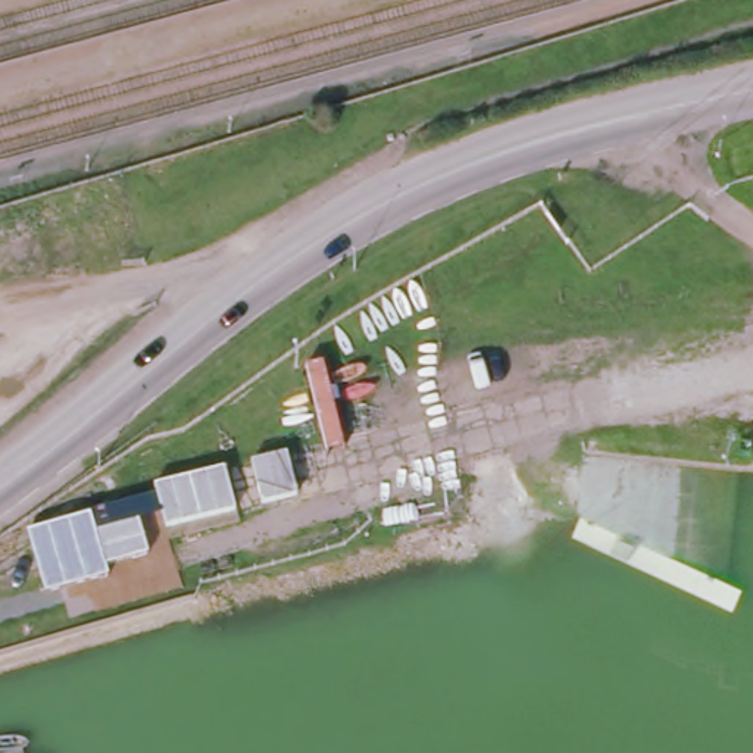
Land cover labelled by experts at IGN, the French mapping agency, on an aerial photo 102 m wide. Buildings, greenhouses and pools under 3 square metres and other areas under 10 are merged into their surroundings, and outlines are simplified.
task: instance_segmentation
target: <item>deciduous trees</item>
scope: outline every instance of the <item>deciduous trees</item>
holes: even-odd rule
[[[332,109],[315,106],[306,106],[300,118],[318,132],[329,132]]]

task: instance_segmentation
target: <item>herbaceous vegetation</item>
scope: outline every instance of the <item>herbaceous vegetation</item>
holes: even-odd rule
[[[753,118],[721,129],[706,150],[706,165],[712,176],[727,188],[729,197],[753,209]]]
[[[729,456],[741,465],[738,471],[744,471],[753,474],[753,421],[729,415],[688,418],[677,427],[591,427],[562,435],[556,447],[556,456],[568,465],[582,465],[582,447],[600,441],[600,447],[612,453],[691,459],[691,465],[703,468],[712,468],[721,456]]]
[[[677,56],[753,41],[753,0],[662,0],[656,9],[644,15],[621,18],[588,32],[506,53],[462,71],[450,71],[441,76],[350,100],[344,109],[332,109],[329,132],[318,132],[300,118],[268,129],[253,129],[235,141],[215,141],[126,171],[132,203],[138,212],[141,244],[150,247],[150,256],[144,259],[179,259],[185,253],[194,253],[206,244],[215,244],[238,232],[241,226],[306,194],[309,188],[332,179],[344,168],[362,162],[365,156],[382,150],[388,135],[403,135],[412,144],[415,135],[424,135],[427,129],[444,124],[462,124],[465,132],[474,132],[488,124],[485,115],[491,109],[506,109],[512,103],[532,100],[550,91],[568,91],[582,82],[606,79]]]
[[[306,371],[276,368],[271,377],[253,385],[244,400],[218,409],[191,432],[147,444],[138,453],[126,456],[121,474],[115,477],[115,488],[126,488],[135,482],[153,485],[159,477],[218,462],[229,471],[244,465],[250,456],[271,450],[288,450],[291,456],[303,447],[303,438],[282,424],[285,397],[306,394]]]
[[[556,221],[585,253],[600,250],[606,256],[606,250],[612,250],[621,238],[638,232],[641,226],[659,226],[647,241],[627,250],[621,259],[600,265],[594,274],[585,274],[568,253],[568,247],[550,232],[547,221],[541,215],[529,215],[506,232],[488,238],[485,244],[468,250],[465,256],[429,271],[421,282],[412,279],[409,291],[397,291],[391,285],[397,276],[406,276],[427,259],[456,247],[459,241],[482,232],[485,226],[538,200],[550,206]],[[82,468],[94,471],[97,465],[106,465],[124,450],[129,450],[141,435],[185,421],[200,406],[212,403],[232,385],[238,385],[244,377],[259,371],[265,362],[288,350],[294,338],[303,338],[335,312],[391,285],[391,300],[382,300],[382,309],[371,309],[359,321],[347,321],[341,329],[332,332],[335,341],[318,344],[321,359],[326,362],[326,368],[341,368],[344,379],[362,377],[365,371],[385,374],[385,368],[403,374],[403,368],[418,368],[418,344],[435,344],[441,359],[479,359],[485,344],[556,344],[588,335],[609,338],[641,324],[662,326],[665,335],[688,329],[738,332],[744,329],[753,306],[753,250],[735,241],[718,224],[700,218],[694,206],[682,203],[679,194],[638,191],[624,185],[621,179],[606,174],[606,162],[600,162],[597,168],[547,168],[529,176],[518,176],[512,182],[485,188],[474,197],[429,212],[394,229],[391,235],[368,244],[365,250],[350,253],[344,265],[329,268],[318,279],[306,282],[300,291],[268,309],[262,318],[250,321],[235,338],[229,338],[185,379],[165,391],[147,412],[141,412],[129,427],[124,427],[115,441],[109,441],[100,453],[91,453],[82,462]]]
[[[41,588],[41,579],[32,568],[26,579],[0,585],[0,600]]]
[[[538,459],[521,459],[515,468],[521,482],[547,518],[577,524],[577,512],[571,509],[565,491],[538,479]]]
[[[265,577],[282,577],[291,571],[306,571],[312,565],[338,562],[365,547],[388,547],[409,532],[403,524],[382,524],[382,509],[371,506],[350,512],[344,518],[300,527],[282,538],[268,538],[256,553],[235,550],[185,565],[179,571],[176,588],[135,597],[118,606],[68,615],[65,603],[59,603],[0,621],[0,650],[38,641],[65,629],[88,627],[97,621],[121,618],[129,612],[141,612],[188,594],[212,591],[224,582],[235,582],[250,591]]]
[[[150,294],[147,300],[141,300],[141,306],[132,315],[124,315],[109,329],[103,329],[29,403],[24,403],[15,415],[9,415],[0,424],[0,441],[9,438],[24,421],[38,415],[65,385],[71,385],[82,371],[88,371],[129,329],[156,315],[165,297]]]

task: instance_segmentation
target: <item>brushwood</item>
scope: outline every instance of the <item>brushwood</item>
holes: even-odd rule
[[[144,259],[150,256],[150,247],[141,244],[138,212],[132,203],[126,171],[215,141],[235,141],[253,129],[268,129],[300,118],[306,106],[315,106],[312,94],[303,94],[276,103],[265,112],[209,124],[197,138],[191,138],[191,144],[185,141],[147,150],[135,147],[132,153],[109,165],[85,171],[59,171],[0,188],[0,285],[47,279],[56,268],[74,268],[76,274],[109,274],[121,271],[126,259]]]
[[[412,144],[415,150],[429,150],[465,132],[462,124],[444,124],[427,129],[424,135],[415,135]]]
[[[624,88],[632,82],[753,59],[753,41],[677,56],[606,79],[582,82],[568,91],[550,91],[532,100],[512,103],[506,109],[491,109],[485,115],[488,124],[547,109],[594,91]]]

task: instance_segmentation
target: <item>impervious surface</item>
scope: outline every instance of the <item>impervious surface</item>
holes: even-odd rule
[[[15,415],[24,403],[29,403],[103,329],[109,329],[124,315],[132,315],[141,306],[141,300],[147,300],[150,294],[165,297],[156,315],[129,329],[88,371],[82,371],[71,385],[65,385],[38,415],[24,421],[9,438],[0,441],[0,524],[12,521],[18,512],[41,506],[50,491],[56,491],[71,474],[82,468],[82,462],[91,453],[100,453],[109,441],[115,441],[124,427],[129,427],[141,412],[147,412],[165,391],[185,379],[229,338],[235,338],[250,321],[262,318],[268,309],[300,291],[306,282],[318,279],[329,268],[344,265],[350,253],[365,250],[368,244],[391,235],[394,229],[429,212],[474,197],[485,188],[512,182],[518,176],[529,176],[547,168],[597,168],[600,162],[606,162],[606,174],[621,179],[624,185],[638,191],[679,194],[682,203],[694,206],[700,218],[718,224],[735,241],[753,250],[753,209],[729,197],[727,188],[712,176],[706,165],[706,150],[721,129],[753,118],[753,59],[632,82],[624,88],[594,91],[547,109],[488,124],[474,132],[465,132],[429,150],[415,150],[412,144],[403,135],[388,135],[382,150],[365,156],[362,162],[344,168],[332,179],[309,188],[306,194],[241,226],[238,232],[215,244],[206,244],[194,253],[185,253],[179,259],[144,259],[126,259],[121,271],[109,274],[76,274],[74,268],[56,268],[47,279],[0,285],[0,424],[9,415]]]
[[[350,100],[441,76],[450,71],[462,71],[506,53],[588,32],[621,18],[644,15],[656,9],[662,0],[585,0],[597,18],[556,32],[512,38],[503,24],[491,24],[468,29],[453,38],[406,47],[377,59],[271,85],[253,94],[218,100],[200,109],[185,109],[153,121],[118,126],[112,132],[97,132],[88,138],[0,159],[0,188],[59,171],[85,171],[109,165],[132,153],[135,147],[147,150],[185,141],[191,144],[191,138],[197,138],[209,124],[265,112],[276,103],[303,94],[312,94],[315,106],[332,109],[344,109]]]
[[[727,559],[735,479],[744,471],[738,471],[741,465],[729,456],[721,456],[712,468],[703,468],[691,465],[691,459],[612,453],[600,447],[600,441],[582,447],[582,465],[568,465],[556,456],[556,447],[562,435],[591,427],[677,427],[688,418],[729,415],[753,421],[753,306],[744,329],[738,332],[688,329],[665,335],[662,326],[641,324],[609,338],[588,335],[556,344],[485,344],[479,359],[441,359],[435,344],[418,344],[418,368],[403,368],[403,374],[385,368],[385,374],[365,371],[362,377],[344,379],[341,368],[326,368],[341,421],[341,438],[332,444],[321,438],[318,415],[306,394],[285,397],[282,424],[303,438],[303,447],[291,456],[297,494],[294,500],[279,503],[256,500],[256,494],[247,488],[244,465],[229,471],[235,512],[174,527],[176,532],[171,535],[171,559],[179,571],[185,565],[235,550],[256,553],[268,538],[282,538],[300,527],[344,518],[350,512],[371,506],[382,509],[382,524],[403,524],[409,532],[388,547],[365,547],[338,562],[312,565],[306,571],[291,571],[282,577],[265,577],[250,591],[235,582],[224,582],[212,591],[188,594],[141,612],[129,612],[121,618],[97,621],[88,627],[65,629],[38,641],[0,650],[0,674],[47,662],[56,656],[68,656],[85,647],[109,644],[174,621],[203,621],[215,612],[226,612],[229,606],[244,606],[262,597],[288,600],[312,588],[388,574],[409,562],[468,562],[488,547],[503,547],[518,538],[529,538],[547,518],[521,482],[515,468],[521,459],[538,459],[538,479],[565,491],[571,509],[577,512],[577,524],[577,541],[729,612],[738,603],[738,588],[700,574],[700,565],[706,565],[712,556]]]
[[[197,24],[197,18],[185,9],[153,24],[0,62],[0,109],[26,103],[32,97],[47,97],[47,91],[53,88],[103,85],[112,74],[126,76],[132,71],[165,71],[185,59],[232,50],[241,38],[232,29],[285,26],[294,18],[312,24],[341,18],[341,9],[350,0],[229,0],[235,9],[206,24]]]
[[[59,603],[53,591],[41,588],[0,600],[0,621]]]

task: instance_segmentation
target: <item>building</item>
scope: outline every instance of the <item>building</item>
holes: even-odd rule
[[[321,438],[332,444],[341,438],[341,421],[326,368],[326,362],[321,359],[309,359],[306,371],[306,394],[318,415]]]
[[[244,465],[247,488],[256,494],[256,500],[279,503],[294,500],[297,494],[291,456],[288,450],[271,450],[250,456]]]
[[[41,579],[41,588],[53,591],[59,603],[65,603],[68,615],[118,606],[135,597],[176,588],[179,571],[171,559],[171,535],[176,532],[174,527],[235,512],[229,471],[218,462],[159,477],[153,485],[135,482],[126,488],[115,488],[41,506],[35,524],[26,527],[32,568]]]

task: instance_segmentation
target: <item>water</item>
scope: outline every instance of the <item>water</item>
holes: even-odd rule
[[[312,588],[288,600],[262,597],[244,606],[229,606],[226,612],[215,612],[203,621],[174,621],[109,644],[85,647],[68,656],[56,656],[47,662],[0,674],[0,753],[753,753],[753,474],[744,471],[735,479],[727,559],[712,556],[706,565],[700,565],[700,574],[738,588],[738,603],[729,612],[577,541],[577,524],[547,518],[529,538],[518,538],[503,547],[488,547],[468,562],[409,562],[388,574]]]

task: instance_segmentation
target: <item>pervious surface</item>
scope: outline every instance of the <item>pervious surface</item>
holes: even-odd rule
[[[12,521],[0,524],[0,585],[26,579],[32,568],[26,527],[35,524],[41,506],[18,512]]]
[[[232,50],[185,59],[165,71],[132,71],[126,76],[112,74],[103,85],[53,88],[47,91],[47,97],[32,97],[26,103],[0,109],[0,159],[88,138],[97,132],[112,132],[118,126],[153,121],[185,109],[200,109],[218,100],[253,94],[271,85],[377,59],[406,47],[453,38],[468,29],[491,24],[503,24],[512,38],[556,32],[597,18],[585,0],[350,0],[341,9],[341,18],[312,24],[294,18],[285,26],[232,29],[241,38]]]
[[[229,0],[0,0],[0,62],[153,24],[185,9],[197,18],[197,24],[206,24],[235,9]]]
[[[253,385],[271,377],[276,368],[306,371],[309,359],[321,359],[318,344],[335,341],[332,332],[341,329],[347,321],[359,321],[371,309],[382,309],[382,300],[391,300],[391,285],[335,312],[303,338],[294,338],[288,350],[265,362],[259,371],[244,377],[238,385],[232,385],[212,403],[200,406],[185,421],[141,435],[129,450],[124,450],[106,465],[97,465],[94,471],[82,468],[71,474],[56,491],[50,491],[41,506],[115,488],[115,477],[121,474],[126,456],[138,453],[147,444],[191,432],[218,409],[244,400]]]
[[[621,238],[612,250],[606,250],[606,256],[600,250],[585,253],[556,221],[550,206],[538,200],[485,226],[482,232],[459,241],[456,247],[427,259],[406,276],[397,276],[391,285],[397,291],[409,291],[412,279],[421,282],[429,271],[465,256],[468,250],[485,244],[488,238],[506,232],[529,215],[541,215],[547,221],[550,232],[568,247],[568,253],[585,274],[594,274],[600,265],[621,259],[627,250],[647,241],[659,226],[641,226],[638,232]]]

